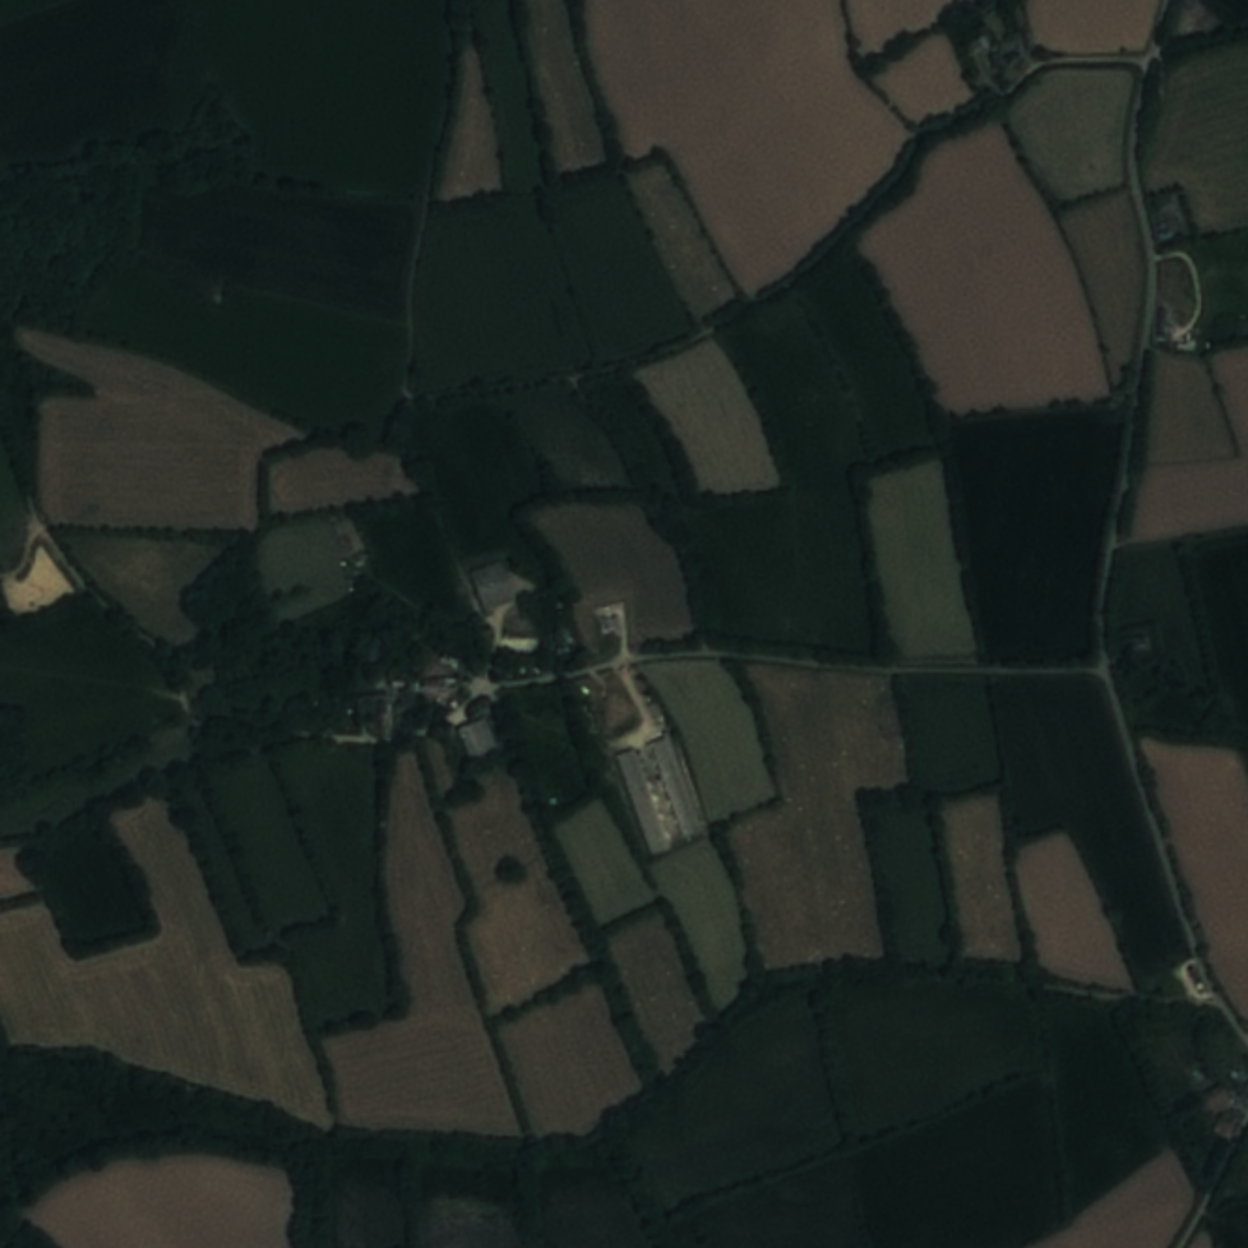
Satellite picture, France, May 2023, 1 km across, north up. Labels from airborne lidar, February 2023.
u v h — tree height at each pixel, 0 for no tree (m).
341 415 0
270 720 9
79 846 0
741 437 0
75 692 0
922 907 0
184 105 0
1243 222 0
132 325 0
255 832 0
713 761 0
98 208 18
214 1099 9
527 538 11
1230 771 0
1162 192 8
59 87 0
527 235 0
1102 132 0
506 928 0
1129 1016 10
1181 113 0
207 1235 0
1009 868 7
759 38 0
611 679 0
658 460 0
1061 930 0
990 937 0
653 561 0
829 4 0
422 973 0
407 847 0
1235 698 0
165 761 0
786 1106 0
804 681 0
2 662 0
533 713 0
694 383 0
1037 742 0
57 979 0
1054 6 0
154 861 0
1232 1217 0
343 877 0
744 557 0
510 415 6
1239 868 0
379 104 0
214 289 0
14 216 14
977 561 0
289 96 0
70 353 0
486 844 0
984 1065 0
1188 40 10
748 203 0
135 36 0
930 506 0
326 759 0
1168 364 0
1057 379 0
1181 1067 0
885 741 0
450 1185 0
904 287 0
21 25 0
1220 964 0
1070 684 0
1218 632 0
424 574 0
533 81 7
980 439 0
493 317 0
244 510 0
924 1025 0
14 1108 14
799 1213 0
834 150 0
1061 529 0
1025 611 0
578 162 0
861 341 0
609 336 0
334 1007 0
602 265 0
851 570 0
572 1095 0
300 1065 0
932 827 12
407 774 0
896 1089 0
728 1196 8
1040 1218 0
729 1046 0
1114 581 10
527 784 11
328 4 0
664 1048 0
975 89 6
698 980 11
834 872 0
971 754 0
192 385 0
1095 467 0
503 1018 7
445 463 0
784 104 0
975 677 0
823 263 8
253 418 0
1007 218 0
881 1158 0
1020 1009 0
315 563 0
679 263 0
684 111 0
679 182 7
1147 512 0
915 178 12
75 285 7
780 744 0
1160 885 0
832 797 0
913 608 0
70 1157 6
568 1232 0
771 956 0
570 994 12
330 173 0
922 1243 0
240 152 8
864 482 12
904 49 12
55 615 10
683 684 0
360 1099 0
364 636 10
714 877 0
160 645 14
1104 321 0
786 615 0
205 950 0
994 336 0
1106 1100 0
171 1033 0
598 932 7
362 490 0
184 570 0
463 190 0
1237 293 0
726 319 12
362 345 0
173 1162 0
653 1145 0
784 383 0
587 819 0
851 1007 0
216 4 0
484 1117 0
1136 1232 0
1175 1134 17
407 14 0
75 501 0
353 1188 0
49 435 0
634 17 0
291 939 10
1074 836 7
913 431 0
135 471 0
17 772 19
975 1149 0
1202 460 0
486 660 7
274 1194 0
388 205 0
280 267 0
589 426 0
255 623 19
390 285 0
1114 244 0
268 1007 0
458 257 0
